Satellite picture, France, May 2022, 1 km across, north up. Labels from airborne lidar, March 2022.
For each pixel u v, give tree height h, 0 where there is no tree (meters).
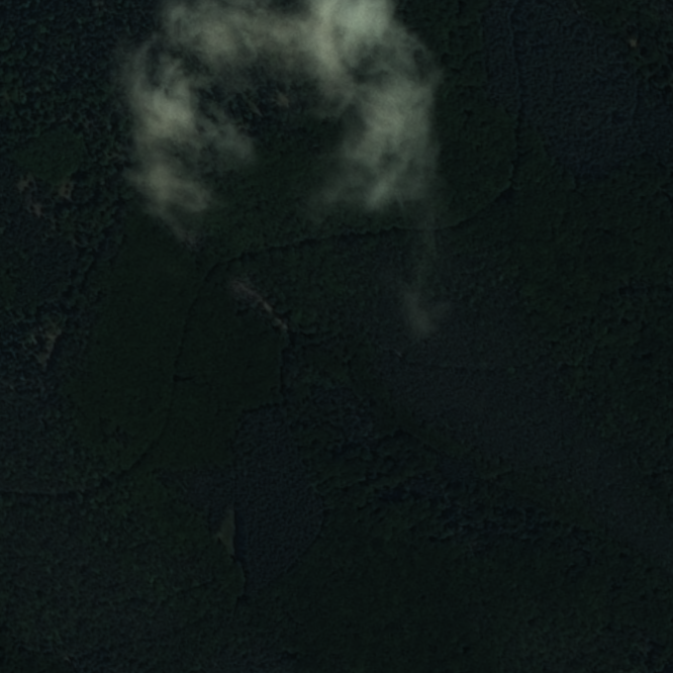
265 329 37
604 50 36
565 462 21
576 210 32
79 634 24
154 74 27
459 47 35
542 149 28
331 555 28
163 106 31
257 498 28
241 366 29
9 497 21
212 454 21
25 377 28
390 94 25
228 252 26
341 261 26
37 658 28
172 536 28
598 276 31
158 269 26
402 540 36
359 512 39
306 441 35
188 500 20
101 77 28
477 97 36
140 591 25
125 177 28
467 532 36
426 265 23
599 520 18
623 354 35
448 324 23
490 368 18
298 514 31
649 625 35
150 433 25
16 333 28
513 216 31
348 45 19
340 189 25
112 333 29
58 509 24
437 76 35
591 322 35
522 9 32
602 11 36
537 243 34
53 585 24
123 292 30
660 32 26
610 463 25
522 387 25
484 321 23
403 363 24
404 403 23
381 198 27
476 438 24
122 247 26
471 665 31
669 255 38
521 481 20
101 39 31
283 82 30
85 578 28
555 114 33
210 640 26
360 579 30
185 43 25
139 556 25
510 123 33
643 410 31
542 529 36
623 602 31
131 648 34
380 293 29
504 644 27
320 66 27
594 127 34
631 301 34
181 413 29
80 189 16
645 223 35
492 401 25
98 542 30
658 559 21
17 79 22
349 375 32
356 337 19
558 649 28
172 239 26
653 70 17
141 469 24
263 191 26
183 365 30
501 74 31
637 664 34
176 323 29
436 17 36
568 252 33
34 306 6
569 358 27
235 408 28
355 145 32
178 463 24
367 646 31
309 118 32
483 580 30
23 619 25
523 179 35
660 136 27
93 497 23
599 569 32
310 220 27
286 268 28
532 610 28
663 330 35
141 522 27
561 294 33
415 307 23
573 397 28
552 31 32
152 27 15
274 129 27
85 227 29
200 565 28
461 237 29
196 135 23
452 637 31
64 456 28
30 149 13
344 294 25
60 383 17
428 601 32
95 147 24
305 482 30
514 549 34
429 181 30
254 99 32
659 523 22
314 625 31
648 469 26
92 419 18
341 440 25
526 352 23
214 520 30
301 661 30
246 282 32
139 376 28
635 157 33
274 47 8
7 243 11
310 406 26
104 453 26
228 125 13
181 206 30
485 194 33
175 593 22
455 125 34
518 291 26
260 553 31
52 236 8
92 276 20
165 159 28
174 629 28
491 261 26
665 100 24
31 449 23
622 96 33
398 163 28
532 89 34
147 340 28
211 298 32
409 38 26
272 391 21
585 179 32
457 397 24
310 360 28
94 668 34
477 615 28
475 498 35
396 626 31
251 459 32
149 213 28
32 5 26
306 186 28
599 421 26
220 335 31
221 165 30
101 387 22
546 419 24
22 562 25
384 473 42
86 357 21
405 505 37
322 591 29
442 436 22
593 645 27
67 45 23
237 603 25
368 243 28
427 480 30
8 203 15
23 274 14
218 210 29
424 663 31
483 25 28
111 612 30
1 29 25
